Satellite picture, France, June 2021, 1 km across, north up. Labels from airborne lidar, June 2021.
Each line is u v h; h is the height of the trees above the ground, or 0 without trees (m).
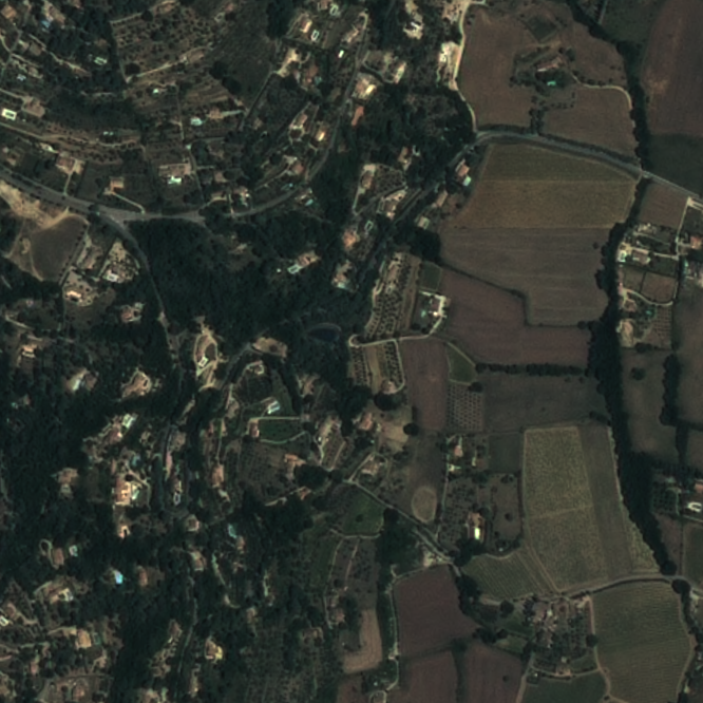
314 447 11
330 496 8
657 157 0
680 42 0
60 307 11
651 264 6
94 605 20
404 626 0
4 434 9
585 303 0
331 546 0
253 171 10
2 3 6
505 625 0
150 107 0
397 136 20
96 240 0
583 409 0
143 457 7
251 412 7
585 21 17
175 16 9
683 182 0
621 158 8
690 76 0
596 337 16
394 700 0
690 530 0
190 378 16
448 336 0
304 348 21
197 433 15
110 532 14
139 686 15
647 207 0
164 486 8
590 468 0
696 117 0
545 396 0
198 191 8
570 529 0
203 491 16
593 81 6
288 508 15
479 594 14
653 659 0
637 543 0
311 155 10
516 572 0
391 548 7
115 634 7
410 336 0
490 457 0
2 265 19
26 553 11
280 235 17
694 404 0
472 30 0
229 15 9
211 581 14
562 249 0
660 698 0
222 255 21
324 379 11
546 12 0
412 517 6
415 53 16
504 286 0
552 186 0
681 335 0
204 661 16
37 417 13
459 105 13
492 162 0
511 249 0
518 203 0
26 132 0
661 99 0
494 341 0
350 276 18
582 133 0
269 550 11
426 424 0
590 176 0
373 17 14
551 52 0
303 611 10
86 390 7
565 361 0
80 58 6
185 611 17
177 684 7
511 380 0
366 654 0
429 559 0
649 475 15
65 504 18
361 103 7
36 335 10
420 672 0
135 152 6
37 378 10
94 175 0
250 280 11
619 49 11
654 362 0
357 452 6
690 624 8
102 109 16
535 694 0
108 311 10
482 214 0
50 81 14
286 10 22
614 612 0
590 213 0
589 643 12
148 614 16
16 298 17
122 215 0
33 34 12
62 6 7
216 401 18
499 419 0
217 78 15
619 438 18
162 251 19
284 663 10
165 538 17
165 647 5
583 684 0
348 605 10
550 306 0
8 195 0
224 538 6
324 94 11
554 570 0
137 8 17
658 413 0
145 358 11
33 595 9
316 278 17
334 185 16
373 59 0
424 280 0
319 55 7
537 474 0
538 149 0
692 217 0
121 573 7
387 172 7
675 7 0
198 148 9
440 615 0
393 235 14
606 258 13
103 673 8
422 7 7
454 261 0
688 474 9
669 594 0
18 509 17
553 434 0
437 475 0
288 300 6
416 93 8
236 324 7
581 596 6
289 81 15
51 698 0
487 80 0
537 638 7
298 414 8
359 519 10
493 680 0
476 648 0
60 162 0
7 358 16
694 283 0
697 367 0
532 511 0
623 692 0
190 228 20
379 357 0
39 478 11
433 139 12
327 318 20
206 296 8
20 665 6
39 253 0
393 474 0
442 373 0
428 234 17
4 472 12
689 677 9
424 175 11
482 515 11
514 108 0
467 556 13
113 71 9
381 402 20
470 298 0
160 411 18
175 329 17
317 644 7
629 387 0
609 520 0
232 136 18
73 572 18
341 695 0
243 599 6
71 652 9
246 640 15
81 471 14
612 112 0
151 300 11
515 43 0
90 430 10
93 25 15
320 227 14
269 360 17
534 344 0
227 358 16
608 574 0
